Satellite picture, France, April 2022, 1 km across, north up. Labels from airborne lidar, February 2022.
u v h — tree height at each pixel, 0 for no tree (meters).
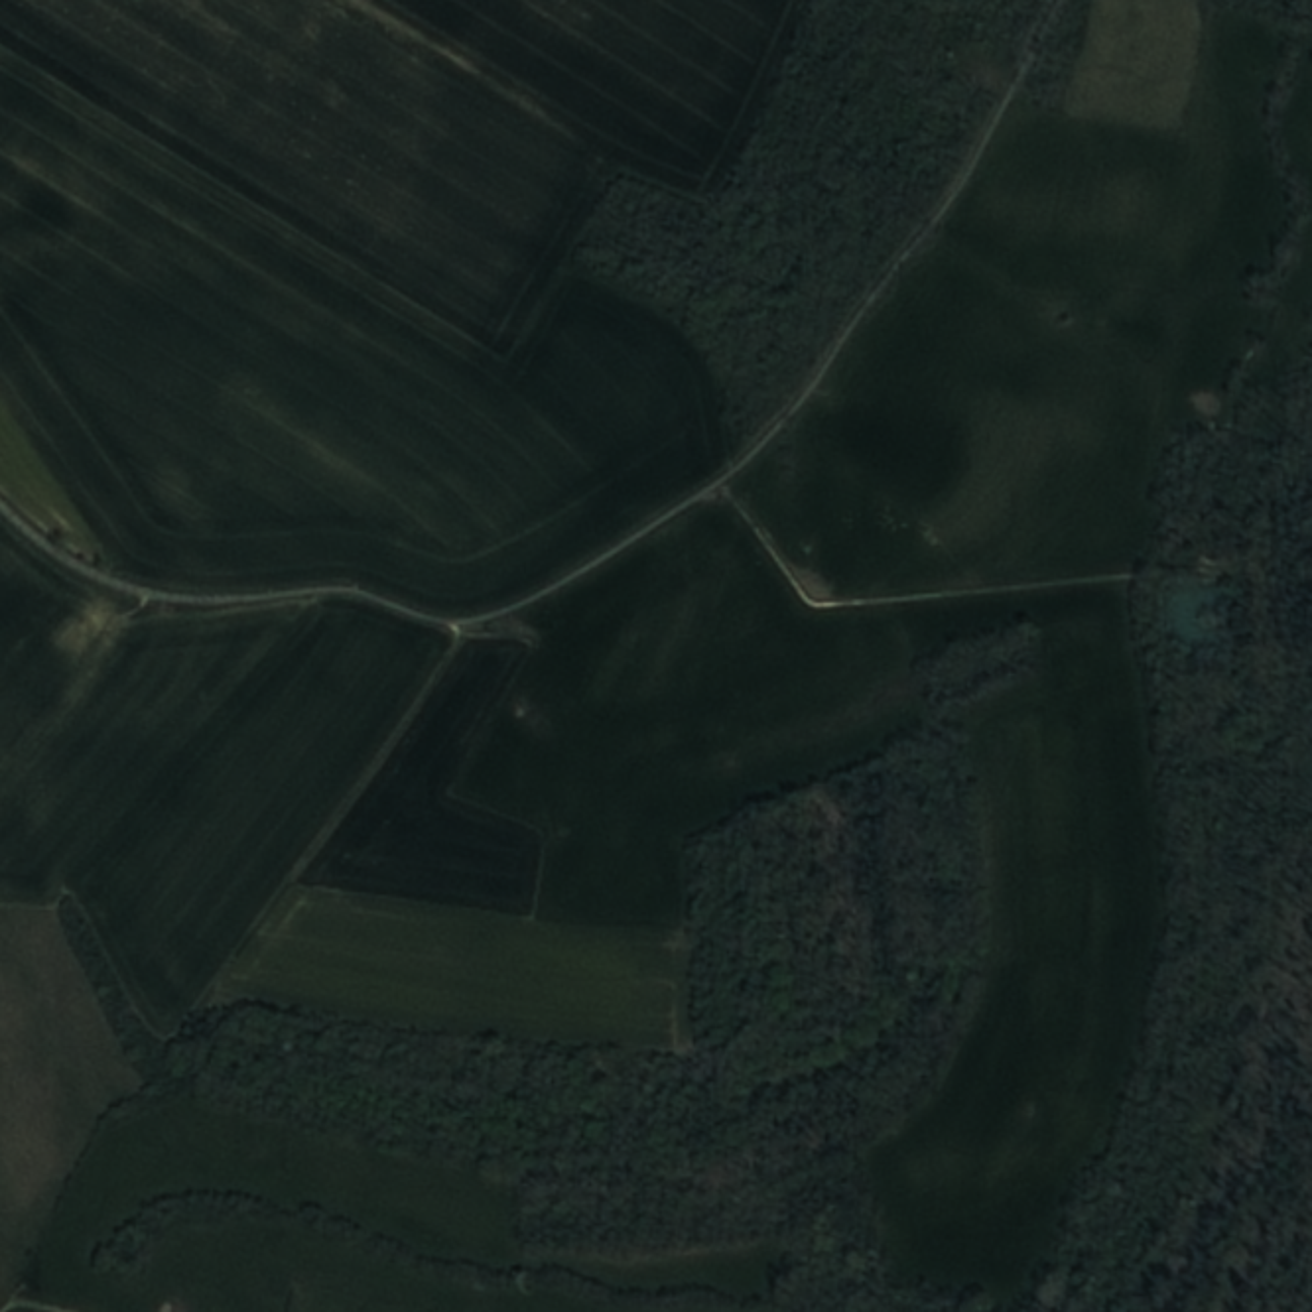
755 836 20
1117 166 0
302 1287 0
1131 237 0
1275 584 19
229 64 0
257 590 0
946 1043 23
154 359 0
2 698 0
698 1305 15
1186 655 14
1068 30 12
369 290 0
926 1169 0
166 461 0
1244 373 17
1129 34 0
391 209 0
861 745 0
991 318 0
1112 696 0
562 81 0
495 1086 5
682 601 0
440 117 0
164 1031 0
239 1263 0
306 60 0
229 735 0
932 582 0
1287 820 7
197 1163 0
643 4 0
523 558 0
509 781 0
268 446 0
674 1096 17
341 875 0
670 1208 24
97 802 0
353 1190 0
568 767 0
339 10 0
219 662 0
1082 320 0
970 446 0
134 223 0
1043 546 0
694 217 8
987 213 0
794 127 7
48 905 0
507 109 0
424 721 0
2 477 0
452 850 0
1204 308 0
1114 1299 19
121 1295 0
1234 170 0
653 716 0
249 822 0
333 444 0
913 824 25
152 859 0
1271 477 19
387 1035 12
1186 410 0
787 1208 21
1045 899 0
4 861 0
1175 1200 9
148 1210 13
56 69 0
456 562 0
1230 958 25
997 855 0
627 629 0
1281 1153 20
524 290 0
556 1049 8
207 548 0
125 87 0
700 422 0
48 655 0
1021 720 0
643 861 0
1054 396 0
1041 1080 0
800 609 0
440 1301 0
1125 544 0
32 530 0
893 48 18
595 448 0
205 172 0
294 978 0
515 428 0
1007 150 0
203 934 0
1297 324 0
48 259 0
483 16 0
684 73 0
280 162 0
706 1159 24
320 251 0
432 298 0
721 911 8
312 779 0
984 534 0
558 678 0
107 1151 0
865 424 0
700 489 0
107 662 0
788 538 0
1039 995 0
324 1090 20
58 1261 0
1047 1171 0
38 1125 0
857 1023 17
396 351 0
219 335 0
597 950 0
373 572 0
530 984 0
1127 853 0
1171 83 0
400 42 0
